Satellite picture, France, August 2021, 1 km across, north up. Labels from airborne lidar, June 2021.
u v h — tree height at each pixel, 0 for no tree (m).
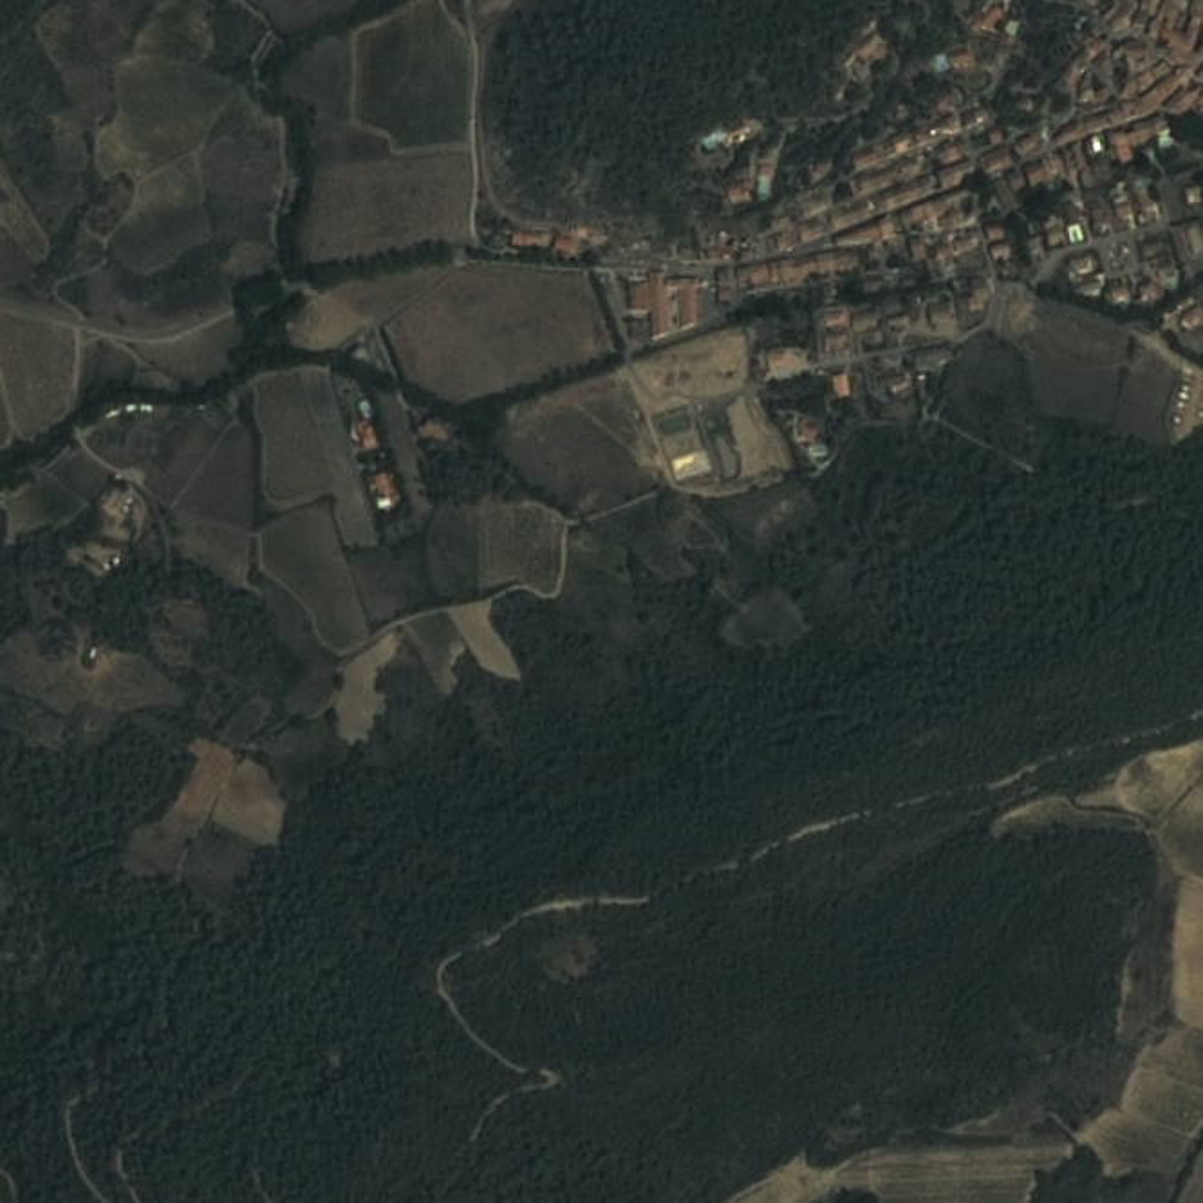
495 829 9
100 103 0
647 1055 8
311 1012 14
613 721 8
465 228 0
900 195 0
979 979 7
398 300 0
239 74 10
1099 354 0
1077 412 0
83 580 17
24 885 12
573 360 0
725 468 0
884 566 6
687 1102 7
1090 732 9
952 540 11
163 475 0
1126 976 0
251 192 0
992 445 7
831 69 9
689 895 11
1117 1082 0
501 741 8
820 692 13
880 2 8
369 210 0
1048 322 0
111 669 0
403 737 0
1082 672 8
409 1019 7
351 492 0
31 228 0
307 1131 12
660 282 0
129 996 16
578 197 0
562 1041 6
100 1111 8
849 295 10
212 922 20
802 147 9
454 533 0
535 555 0
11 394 0
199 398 10
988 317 0
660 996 7
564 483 0
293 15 0
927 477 10
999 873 6
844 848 6
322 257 0
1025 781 11
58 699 0
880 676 16
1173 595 17
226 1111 6
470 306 0
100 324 0
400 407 0
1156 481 12
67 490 0
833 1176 0
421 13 0
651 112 10
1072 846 7
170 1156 12
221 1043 11
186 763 10
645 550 0
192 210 0
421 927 8
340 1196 7
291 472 0
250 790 0
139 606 11
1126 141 0
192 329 0
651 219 0
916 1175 0
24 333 0
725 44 9
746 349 0
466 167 0
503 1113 11
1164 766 0
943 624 11
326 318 0
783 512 0
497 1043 10
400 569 0
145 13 8
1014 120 7
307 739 0
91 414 10
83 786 12
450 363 0
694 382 0
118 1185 11
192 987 14
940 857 8
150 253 0
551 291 0
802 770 7
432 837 8
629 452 0
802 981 7
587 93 8
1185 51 0
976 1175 0
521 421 0
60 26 0
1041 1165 0
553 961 0
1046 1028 6
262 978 11
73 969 15
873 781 10
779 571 13
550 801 8
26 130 6
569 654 6
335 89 0
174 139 0
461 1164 11
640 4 13
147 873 0
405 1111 6
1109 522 13
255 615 9
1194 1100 0
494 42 0
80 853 15
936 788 10
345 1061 6
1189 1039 0
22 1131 10
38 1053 15
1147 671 9
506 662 0
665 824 7
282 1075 16
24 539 10
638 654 7
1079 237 0
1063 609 17
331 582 0
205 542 0
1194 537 15
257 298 20
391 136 0
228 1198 9
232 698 6
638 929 6
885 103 10
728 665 8
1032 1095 0
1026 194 14
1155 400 0
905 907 9
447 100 0
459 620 0
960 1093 8
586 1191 6
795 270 0
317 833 7
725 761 13
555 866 9
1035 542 14
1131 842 7
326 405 0
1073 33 9
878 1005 7
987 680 6
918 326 0
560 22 11
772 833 8
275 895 7
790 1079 7
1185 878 0
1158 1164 0
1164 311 6
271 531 0
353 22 11
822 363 0
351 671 0
